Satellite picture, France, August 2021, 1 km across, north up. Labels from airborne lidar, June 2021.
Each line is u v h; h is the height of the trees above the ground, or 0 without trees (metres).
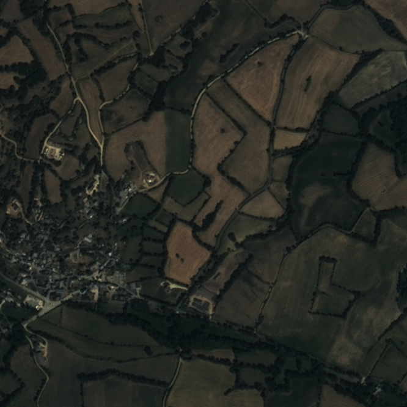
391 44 0
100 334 0
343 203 0
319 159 0
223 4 0
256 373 0
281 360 15
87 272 11
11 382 0
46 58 0
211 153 0
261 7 0
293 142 0
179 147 0
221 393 0
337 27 0
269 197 0
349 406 0
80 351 0
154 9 0
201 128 0
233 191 0
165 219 0
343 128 0
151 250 0
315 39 0
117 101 8
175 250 0
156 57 11
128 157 0
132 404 0
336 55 0
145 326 20
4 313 0
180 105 0
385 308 0
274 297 0
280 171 0
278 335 0
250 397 0
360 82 0
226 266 0
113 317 18
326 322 0
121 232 0
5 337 9
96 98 0
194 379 0
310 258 0
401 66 0
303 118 0
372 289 0
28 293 0
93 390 0
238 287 0
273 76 0
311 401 0
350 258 0
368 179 0
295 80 0
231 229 0
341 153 0
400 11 0
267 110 0
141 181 0
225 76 6
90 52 0
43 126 0
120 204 9
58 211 0
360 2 13
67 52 7
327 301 0
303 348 0
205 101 0
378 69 0
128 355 0
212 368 0
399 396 16
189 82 0
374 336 0
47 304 0
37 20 9
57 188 0
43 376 0
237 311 0
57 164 11
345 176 9
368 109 0
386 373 0
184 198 0
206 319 15
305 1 0
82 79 0
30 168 0
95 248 11
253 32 0
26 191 0
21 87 10
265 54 0
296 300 0
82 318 0
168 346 19
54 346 0
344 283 0
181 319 21
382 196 0
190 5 0
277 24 9
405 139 6
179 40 0
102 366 0
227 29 0
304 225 0
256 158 0
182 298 10
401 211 8
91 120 0
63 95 0
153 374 0
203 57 0
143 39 0
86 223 6
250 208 0
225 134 0
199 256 0
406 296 12
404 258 0
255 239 10
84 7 0
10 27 10
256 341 0
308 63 0
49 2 7
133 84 14
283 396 0
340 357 0
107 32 0
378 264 0
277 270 0
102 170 10
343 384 9
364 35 0
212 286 0
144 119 9
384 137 0
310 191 0
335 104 13
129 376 14
